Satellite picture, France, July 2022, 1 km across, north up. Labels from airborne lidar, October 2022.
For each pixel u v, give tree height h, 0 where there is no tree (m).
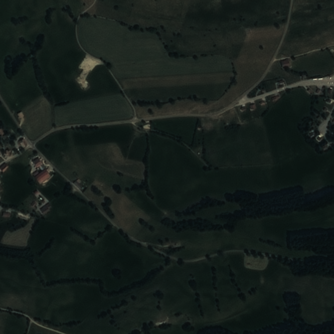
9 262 0
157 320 0
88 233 0
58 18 0
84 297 0
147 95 0
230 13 0
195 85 0
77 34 0
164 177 0
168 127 0
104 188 0
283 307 0
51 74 0
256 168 0
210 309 0
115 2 0
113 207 0
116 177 0
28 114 0
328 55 0
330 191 0
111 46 0
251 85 0
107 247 0
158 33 13
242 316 0
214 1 0
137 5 0
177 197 0
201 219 12
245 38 0
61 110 0
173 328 0
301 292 0
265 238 0
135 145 0
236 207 0
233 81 20
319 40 0
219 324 0
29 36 0
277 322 0
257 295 0
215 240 0
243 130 0
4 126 18
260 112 0
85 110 0
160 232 0
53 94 0
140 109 0
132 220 0
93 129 11
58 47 0
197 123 6
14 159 0
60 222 0
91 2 0
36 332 0
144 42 0
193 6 0
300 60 0
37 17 0
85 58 0
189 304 0
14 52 0
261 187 0
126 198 0
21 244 0
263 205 27
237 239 0
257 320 0
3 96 0
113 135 0
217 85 0
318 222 0
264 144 0
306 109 0
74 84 0
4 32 0
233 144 0
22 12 0
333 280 0
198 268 0
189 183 0
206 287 0
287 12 0
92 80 0
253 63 0
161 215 0
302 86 0
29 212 9
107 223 0
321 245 27
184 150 0
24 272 0
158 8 0
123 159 0
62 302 0
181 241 0
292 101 0
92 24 0
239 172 0
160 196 0
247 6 0
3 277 0
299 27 0
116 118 0
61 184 0
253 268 0
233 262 0
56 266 0
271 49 0
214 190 0
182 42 0
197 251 0
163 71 0
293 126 0
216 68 0
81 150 0
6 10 0
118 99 0
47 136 0
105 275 0
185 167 0
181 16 0
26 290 0
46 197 0
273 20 0
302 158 0
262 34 0
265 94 0
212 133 0
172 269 0
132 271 0
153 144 0
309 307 0
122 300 0
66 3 0
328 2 0
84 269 0
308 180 0
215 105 0
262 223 0
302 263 19
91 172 0
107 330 0
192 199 0
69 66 0
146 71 0
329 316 0
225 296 0
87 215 0
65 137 0
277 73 0
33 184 15
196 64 0
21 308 0
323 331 26
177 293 0
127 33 0
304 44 0
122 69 0
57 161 0
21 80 0
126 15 0
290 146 0
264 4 0
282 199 27
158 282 0
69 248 0
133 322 0
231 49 0
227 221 8
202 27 0
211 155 0
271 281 0
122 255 0
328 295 0
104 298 0
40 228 0
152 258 0
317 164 0
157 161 0
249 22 0
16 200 0
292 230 0
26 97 0
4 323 0
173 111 0
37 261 0
